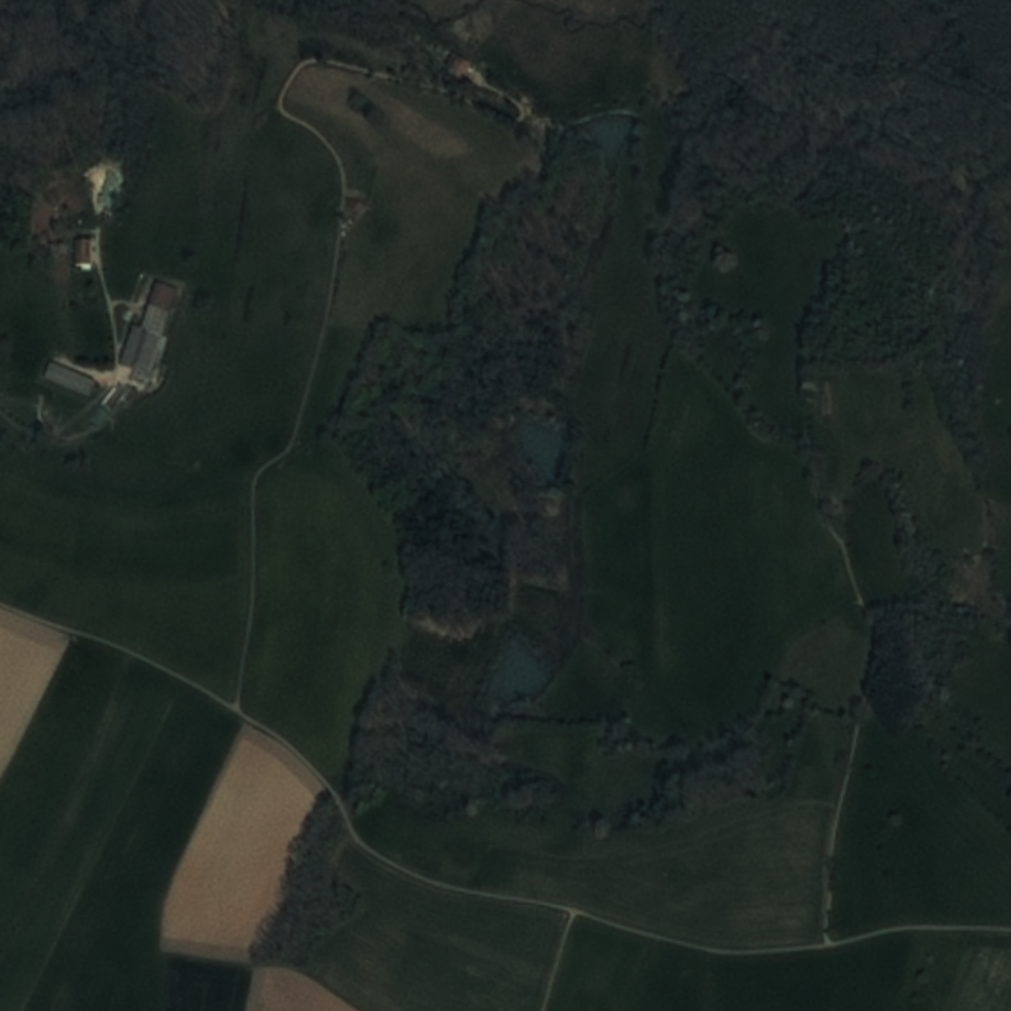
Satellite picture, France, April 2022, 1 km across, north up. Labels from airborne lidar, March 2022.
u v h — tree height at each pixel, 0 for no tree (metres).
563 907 0
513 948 0
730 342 8
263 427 0
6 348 19
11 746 0
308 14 16
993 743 0
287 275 0
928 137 17
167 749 0
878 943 0
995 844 0
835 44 17
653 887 0
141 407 0
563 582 27
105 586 0
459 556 22
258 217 0
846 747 0
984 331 16
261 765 0
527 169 0
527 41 0
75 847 0
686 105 15
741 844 0
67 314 0
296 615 0
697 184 27
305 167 0
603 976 0
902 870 0
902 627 20
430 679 0
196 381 0
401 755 30
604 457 0
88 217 0
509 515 0
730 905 0
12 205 21
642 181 17
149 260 0
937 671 7
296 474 0
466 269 13
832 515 14
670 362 6
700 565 0
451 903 0
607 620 0
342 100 0
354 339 0
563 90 0
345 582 0
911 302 24
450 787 18
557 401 21
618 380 0
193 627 0
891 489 13
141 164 6
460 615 33
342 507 0
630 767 0
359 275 0
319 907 25
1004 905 0
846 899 0
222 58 26
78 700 0
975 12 0
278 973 0
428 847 0
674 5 15
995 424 0
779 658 0
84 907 0
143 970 0
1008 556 0
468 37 0
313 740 0
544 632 0
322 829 25
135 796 0
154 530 0
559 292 20
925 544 15
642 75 0
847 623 0
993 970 0
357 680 0
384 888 0
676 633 0
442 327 0
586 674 0
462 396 28
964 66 21
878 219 16
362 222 0
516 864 0
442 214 0
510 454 0
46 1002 0
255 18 0
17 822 0
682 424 0
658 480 0
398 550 0
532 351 23
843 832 0
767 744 17
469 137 0
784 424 0
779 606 0
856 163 8
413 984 0
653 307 0
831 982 0
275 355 0
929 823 0
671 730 0
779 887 0
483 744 16
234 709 0
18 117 29
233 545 0
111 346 0
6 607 0
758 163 25
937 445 0
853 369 14
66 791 0
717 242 0
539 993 0
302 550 0
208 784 0
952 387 18
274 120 0
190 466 0
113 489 0
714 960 0
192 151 0
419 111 0
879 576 0
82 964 0
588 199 21
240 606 0
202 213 0
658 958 0
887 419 0
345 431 22
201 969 0
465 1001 0
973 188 17
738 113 26
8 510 0
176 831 0
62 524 0
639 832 7
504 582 36
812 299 0
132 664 0
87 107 24
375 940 0
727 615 0
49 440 18
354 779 19
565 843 0
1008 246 0
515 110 18
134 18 0
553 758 0
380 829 0
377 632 0
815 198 10
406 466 29
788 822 0
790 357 0
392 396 22
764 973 0
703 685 0
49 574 0
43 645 0
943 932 0
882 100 19
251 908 0
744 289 0
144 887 0
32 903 0
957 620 10
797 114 20
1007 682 0
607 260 0
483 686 7
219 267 0
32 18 23
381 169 0
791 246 0
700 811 20
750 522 0
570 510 0
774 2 17
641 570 0
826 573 0
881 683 17
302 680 0
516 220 0
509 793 7
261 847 0
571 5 0
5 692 0
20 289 0
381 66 0
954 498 0
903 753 0
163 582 0
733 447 0
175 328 0
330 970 0
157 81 22
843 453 0
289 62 0
